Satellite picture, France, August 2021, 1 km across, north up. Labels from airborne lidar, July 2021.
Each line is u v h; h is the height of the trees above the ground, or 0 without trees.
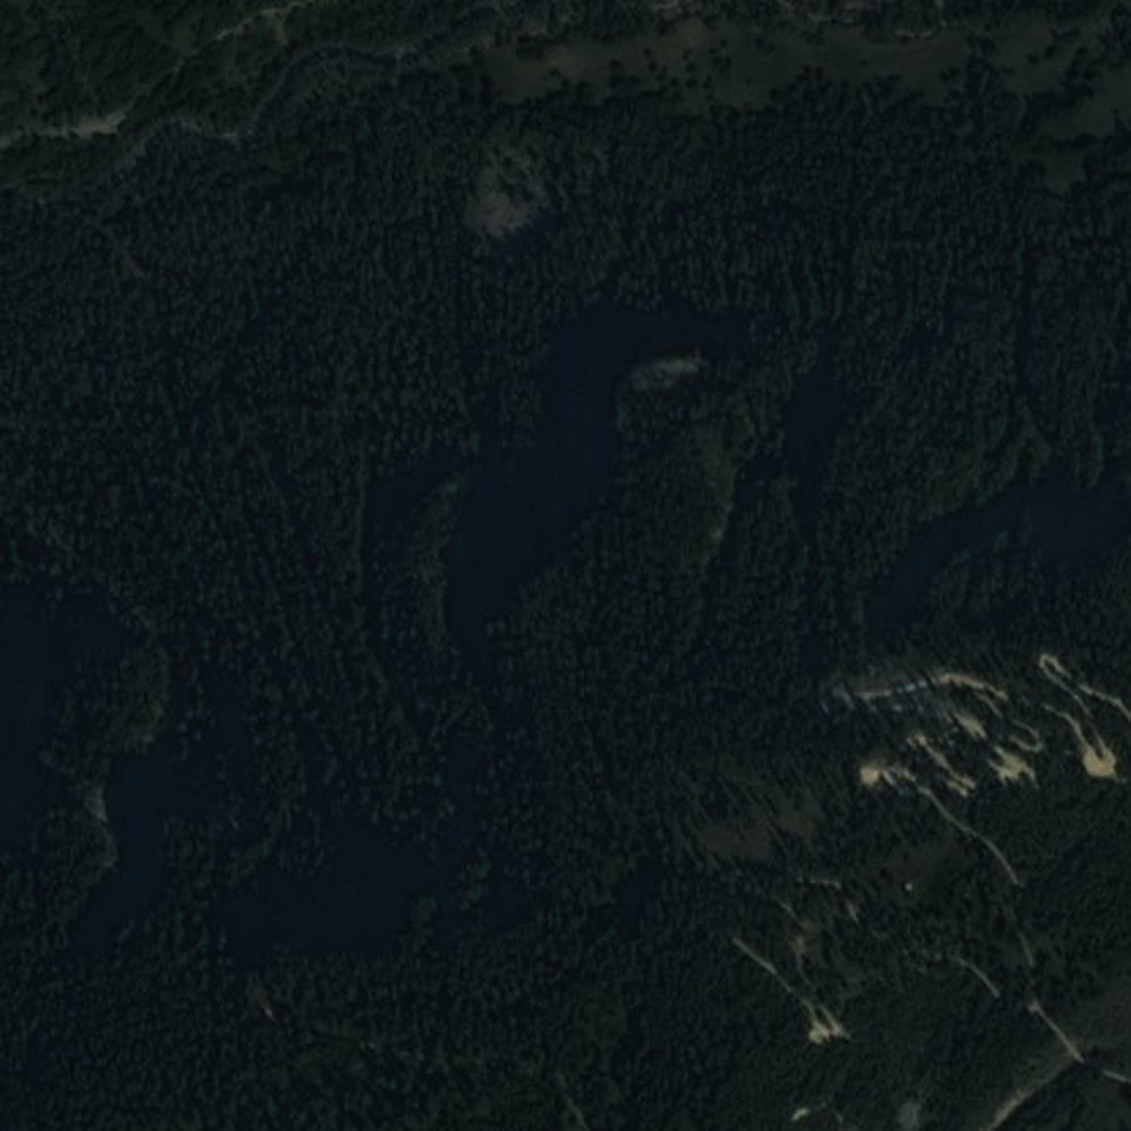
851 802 0
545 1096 7
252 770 9
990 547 7
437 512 13
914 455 12
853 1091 9
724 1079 30
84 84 6
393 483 20
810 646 8
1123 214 25
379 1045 28
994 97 21
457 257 7
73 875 20
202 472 27
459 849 32
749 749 23
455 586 10
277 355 27
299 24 16
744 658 17
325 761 27
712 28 11
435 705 25
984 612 7
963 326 12
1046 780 23
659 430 15
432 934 25
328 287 32
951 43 0
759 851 0
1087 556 9
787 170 19
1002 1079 12
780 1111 8
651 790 19
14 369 31
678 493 17
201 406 7
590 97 13
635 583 16
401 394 24
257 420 32
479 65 12
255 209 8
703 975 29
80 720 14
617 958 30
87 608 14
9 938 17
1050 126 24
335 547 27
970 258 22
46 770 14
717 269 27
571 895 6
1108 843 12
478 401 11
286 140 18
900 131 11
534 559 13
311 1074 8
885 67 0
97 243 25
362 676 24
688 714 12
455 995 30
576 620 15
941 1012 9
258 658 21
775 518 18
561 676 16
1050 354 16
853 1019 9
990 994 16
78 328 31
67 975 8
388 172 22
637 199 21
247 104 22
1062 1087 8
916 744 0
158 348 21
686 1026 28
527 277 28
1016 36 0
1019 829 17
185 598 15
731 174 14
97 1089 17
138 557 27
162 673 15
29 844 18
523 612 12
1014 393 17
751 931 28
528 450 26
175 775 11
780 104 11
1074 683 17
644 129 23
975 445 23
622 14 22
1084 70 8
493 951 26
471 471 12
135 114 9
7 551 9
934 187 22
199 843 11
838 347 10
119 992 25
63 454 30
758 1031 22
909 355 8
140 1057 26
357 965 24
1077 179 0
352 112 23
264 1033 25
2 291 10
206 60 13
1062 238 31
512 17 19
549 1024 30
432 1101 30
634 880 0
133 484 24
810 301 29
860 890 19
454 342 19
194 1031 25
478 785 14
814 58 0
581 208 28
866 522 22
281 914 22
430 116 19
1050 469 0
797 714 15
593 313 27
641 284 28
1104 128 0
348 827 19
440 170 8
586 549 21
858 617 9
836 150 14
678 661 29
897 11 8
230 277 29
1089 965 22
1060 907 13
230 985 32
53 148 9
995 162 16
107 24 19
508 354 32
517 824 31
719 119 16
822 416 20
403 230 11
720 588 27
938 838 28
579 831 24
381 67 21
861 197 15
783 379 17
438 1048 34
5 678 8
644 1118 32
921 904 0
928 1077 15
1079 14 14
